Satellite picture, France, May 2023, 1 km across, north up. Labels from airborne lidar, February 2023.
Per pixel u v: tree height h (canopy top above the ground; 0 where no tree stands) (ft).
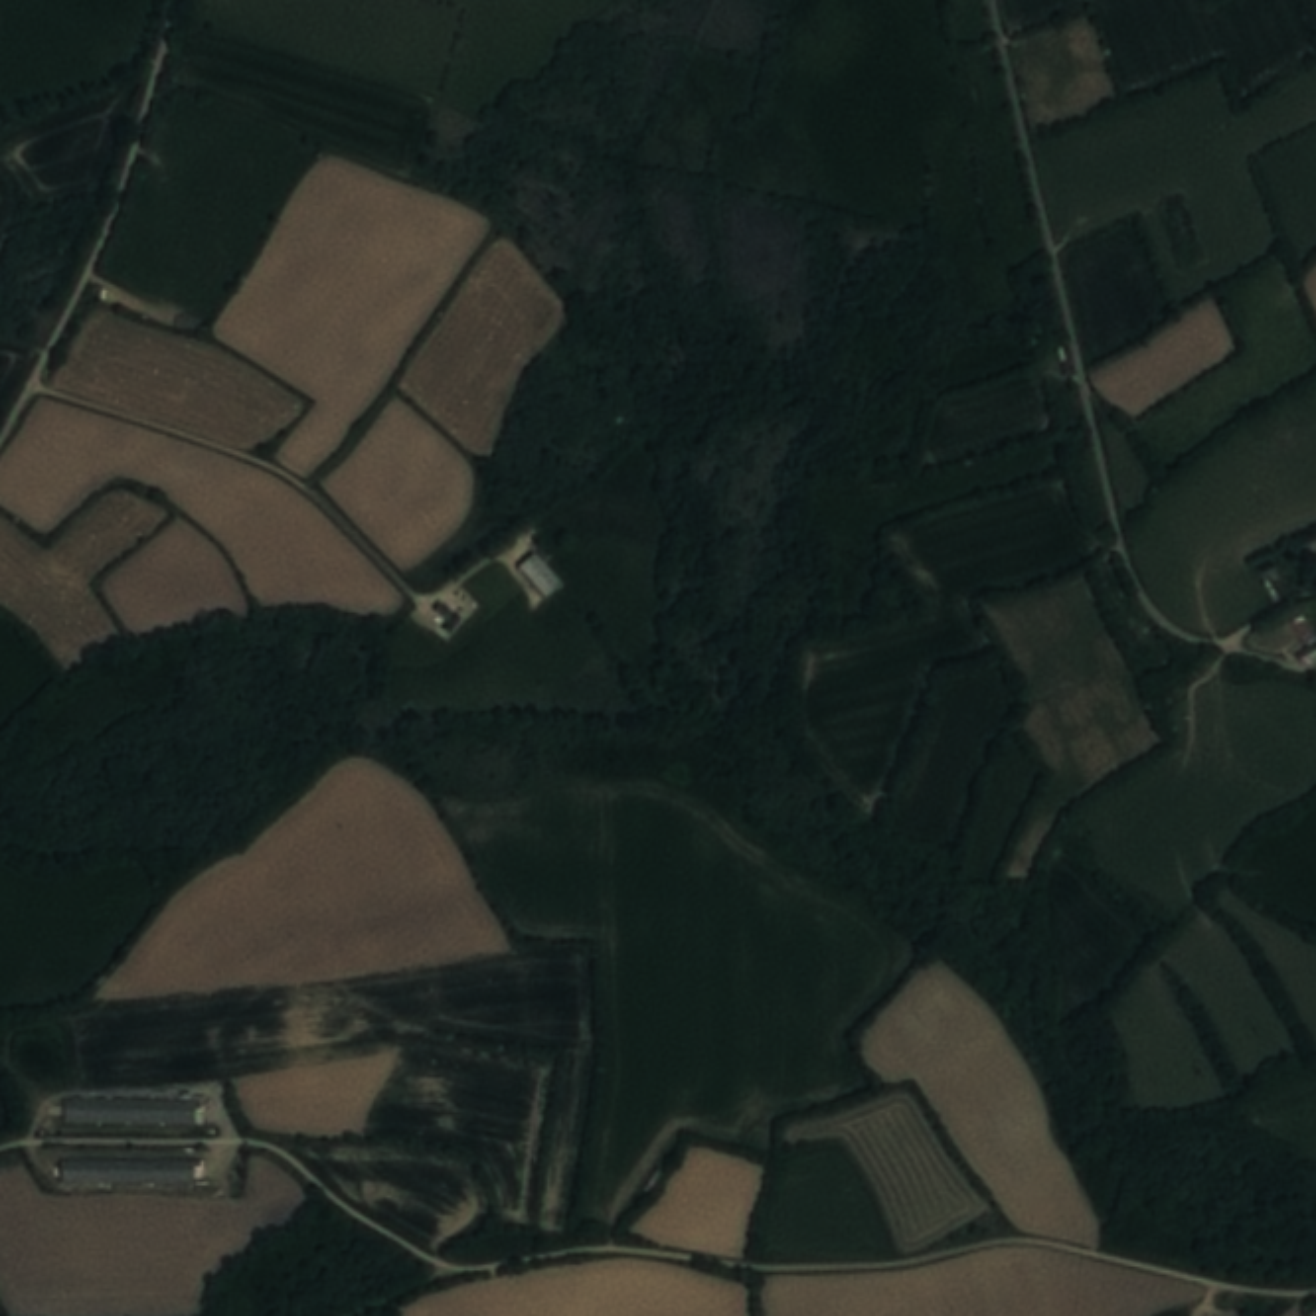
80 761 27
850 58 0
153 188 0
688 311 29
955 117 0
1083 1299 0
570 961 0
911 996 0
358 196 0
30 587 0
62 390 0
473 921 0
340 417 0
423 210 0
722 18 0
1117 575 28
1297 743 0
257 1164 0
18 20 0
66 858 47
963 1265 0
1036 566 0
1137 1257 0
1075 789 0
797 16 0
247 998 0
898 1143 0
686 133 0
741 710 48
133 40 0
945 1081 0
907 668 0
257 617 28
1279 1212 58
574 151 19
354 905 0
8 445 0
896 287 35
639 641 0
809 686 0
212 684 19
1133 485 0
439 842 0
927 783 0
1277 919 20
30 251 21
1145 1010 0
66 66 0
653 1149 0
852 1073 0
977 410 0
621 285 17
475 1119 0
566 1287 0
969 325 23
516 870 0
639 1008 0
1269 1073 31
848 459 24
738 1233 0
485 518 0
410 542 0
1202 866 0
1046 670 0
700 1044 0
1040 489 28
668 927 0
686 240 0
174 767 33
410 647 0
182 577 0
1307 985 0
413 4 0
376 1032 0
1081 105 0
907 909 38
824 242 24
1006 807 0
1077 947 0
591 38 29
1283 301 0
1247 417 41
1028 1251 0
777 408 29
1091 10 20
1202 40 0
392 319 0
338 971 0
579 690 0
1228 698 0
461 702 0
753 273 0
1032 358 28
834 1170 0
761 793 27
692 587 34
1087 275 0
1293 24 0
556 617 0
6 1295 0
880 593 40
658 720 36
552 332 0
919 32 0
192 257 0
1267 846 0
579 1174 23
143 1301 0
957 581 0
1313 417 0
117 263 0
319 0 0
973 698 0
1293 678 0
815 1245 0
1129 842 0
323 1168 0
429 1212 0
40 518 0
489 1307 0
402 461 0
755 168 0
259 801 37
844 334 39
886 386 41
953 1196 0
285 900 0
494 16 0
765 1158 24
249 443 0
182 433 0
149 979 0
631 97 22
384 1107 0
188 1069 0
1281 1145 22
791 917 0
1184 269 0
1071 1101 39
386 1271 26
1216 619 0
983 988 26
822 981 0
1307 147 0
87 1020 0
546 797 0
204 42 0
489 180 29
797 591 23
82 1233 0
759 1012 0
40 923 0
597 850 0
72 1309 0
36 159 0
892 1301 0
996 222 0
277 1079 0
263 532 0
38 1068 0
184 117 0
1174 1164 46
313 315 0
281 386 0
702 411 18
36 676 0
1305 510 0
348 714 39
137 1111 0
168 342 0
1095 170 0
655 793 0
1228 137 0
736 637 46
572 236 0
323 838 0
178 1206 0
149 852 47
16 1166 0
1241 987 0
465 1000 0
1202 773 0
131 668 56
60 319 0
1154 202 0
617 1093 0
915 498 0
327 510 0
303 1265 20
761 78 24
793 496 27
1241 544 0
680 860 0
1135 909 34
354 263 0
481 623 0
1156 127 0
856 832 33
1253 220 0
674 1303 0
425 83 0
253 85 0
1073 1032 30
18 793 23
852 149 0
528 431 33
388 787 0
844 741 0
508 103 29
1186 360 0
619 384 30
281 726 49
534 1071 0
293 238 0
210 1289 41
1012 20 0
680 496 41
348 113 0
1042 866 29
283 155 0
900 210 0
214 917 0
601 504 0
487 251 0
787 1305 0
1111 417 37
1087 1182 0
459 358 0
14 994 0
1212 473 0
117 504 0
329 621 43
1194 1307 0
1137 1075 0
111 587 0
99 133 0
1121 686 0
